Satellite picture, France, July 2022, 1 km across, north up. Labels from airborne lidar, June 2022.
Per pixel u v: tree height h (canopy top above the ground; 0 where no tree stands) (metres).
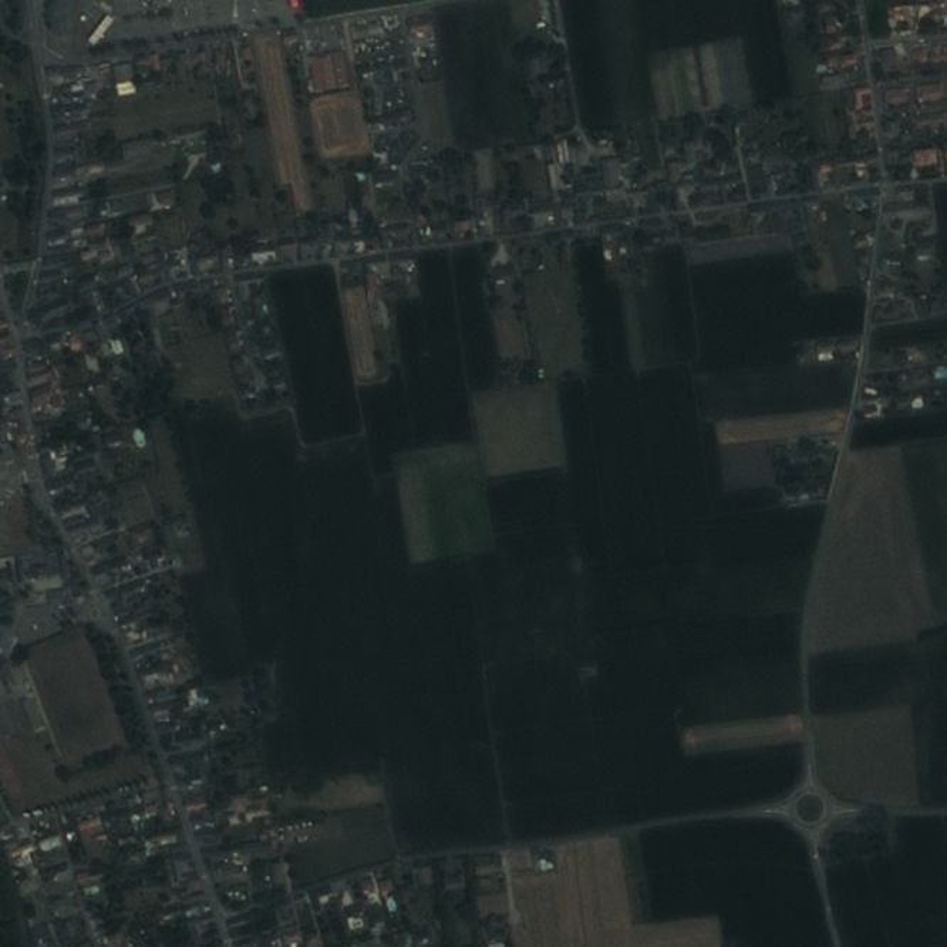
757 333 0
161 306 0
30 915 8
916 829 0
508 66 0
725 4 0
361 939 7
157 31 0
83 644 0
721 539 0
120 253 0
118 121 0
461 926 0
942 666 0
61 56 0
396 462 0
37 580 0
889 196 0
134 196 0
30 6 0
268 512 0
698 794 0
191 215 0
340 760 0
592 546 0
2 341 0
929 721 0
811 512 0
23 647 14
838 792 0
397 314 0
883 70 11
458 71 0
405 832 0
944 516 0
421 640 0
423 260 0
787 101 0
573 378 8
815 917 0
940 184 0
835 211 0
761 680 0
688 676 0
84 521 0
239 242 12
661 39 0
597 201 13
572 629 0
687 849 0
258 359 6
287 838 0
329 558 0
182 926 7
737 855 0
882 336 0
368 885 0
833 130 0
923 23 8
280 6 0
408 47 0
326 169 8
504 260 0
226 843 7
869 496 0
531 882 0
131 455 0
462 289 0
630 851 0
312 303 0
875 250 0
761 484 0
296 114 0
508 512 0
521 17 0
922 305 0
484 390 0
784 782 0
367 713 0
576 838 0
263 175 0
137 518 0
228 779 9
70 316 8
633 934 0
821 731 0
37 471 0
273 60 0
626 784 0
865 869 0
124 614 0
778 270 0
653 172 0
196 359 0
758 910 0
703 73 0
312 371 0
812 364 0
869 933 0
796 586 0
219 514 0
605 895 0
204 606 0
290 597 0
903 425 0
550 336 0
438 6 0
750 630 0
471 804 0
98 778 0
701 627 0
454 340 0
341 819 0
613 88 0
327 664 0
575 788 0
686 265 0
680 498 0
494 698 0
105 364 7
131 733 13
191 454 0
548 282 0
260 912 5
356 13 0
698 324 0
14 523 0
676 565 0
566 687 0
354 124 0
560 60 9
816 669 0
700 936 0
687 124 8
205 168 0
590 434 0
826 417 0
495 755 0
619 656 0
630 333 0
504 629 0
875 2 0
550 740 0
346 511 0
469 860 7
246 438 0
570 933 0
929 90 0
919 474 0
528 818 0
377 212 0
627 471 0
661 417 0
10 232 0
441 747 0
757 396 0
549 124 0
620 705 0
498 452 0
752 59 0
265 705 21
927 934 0
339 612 0
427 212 17
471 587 0
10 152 0
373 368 0
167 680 0
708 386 0
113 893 8
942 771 0
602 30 0
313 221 11
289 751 0
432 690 0
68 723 0
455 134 0
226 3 0
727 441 0
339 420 0
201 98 0
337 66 0
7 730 0
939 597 0
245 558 0
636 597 0
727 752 0
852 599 0
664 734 0
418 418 0
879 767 0
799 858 0
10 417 0
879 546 0
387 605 0
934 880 0
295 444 0
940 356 7
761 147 6
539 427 0
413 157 0
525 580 0
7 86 0
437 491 0
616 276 0
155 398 14
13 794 0
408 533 0
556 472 0
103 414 10
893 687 0
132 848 6
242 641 0
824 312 0
